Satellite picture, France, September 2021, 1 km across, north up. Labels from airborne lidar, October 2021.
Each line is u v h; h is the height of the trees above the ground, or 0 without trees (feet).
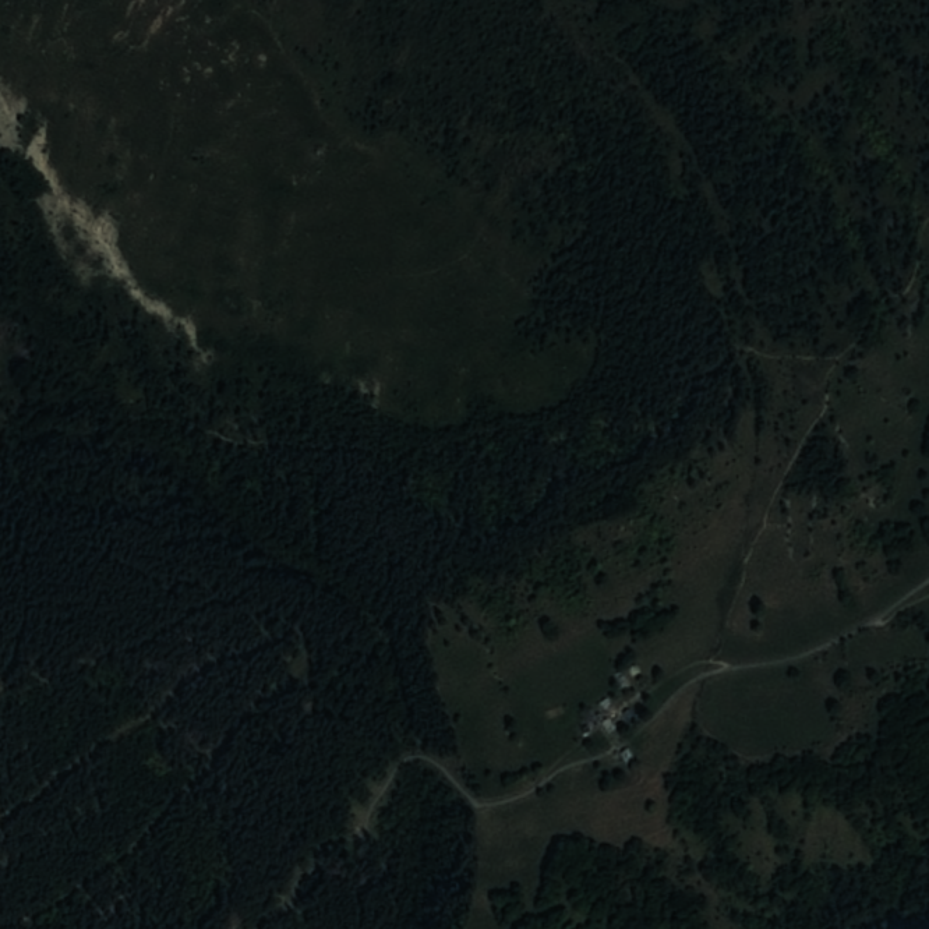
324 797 70
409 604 74
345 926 98
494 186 19
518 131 44
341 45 0
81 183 0
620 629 37
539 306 32
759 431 45
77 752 64
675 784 27
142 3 0
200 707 90
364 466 64
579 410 35
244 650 62
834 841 0
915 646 0
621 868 40
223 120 0
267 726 47
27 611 61
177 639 77
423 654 55
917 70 49
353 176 0
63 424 56
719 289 0
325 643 79
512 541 98
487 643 31
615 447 34
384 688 68
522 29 21
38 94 0
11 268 40
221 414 33
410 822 20
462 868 71
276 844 103
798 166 19
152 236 0
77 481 53
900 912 20
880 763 67
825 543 0
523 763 0
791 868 25
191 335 0
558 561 33
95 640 75
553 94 31
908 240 56
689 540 0
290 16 0
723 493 29
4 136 0
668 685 0
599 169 44
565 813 0
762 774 46
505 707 0
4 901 58
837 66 22
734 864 47
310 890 50
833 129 56
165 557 75
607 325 59
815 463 29
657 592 41
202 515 48
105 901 79
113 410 29
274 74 0
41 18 0
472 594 20
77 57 0
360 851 81
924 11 40
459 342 0
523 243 26
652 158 52
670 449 83
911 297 0
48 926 50
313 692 47
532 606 39
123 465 53
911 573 0
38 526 63
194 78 0
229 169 0
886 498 22
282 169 0
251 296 0
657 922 52
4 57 0
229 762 92
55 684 64
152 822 29
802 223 43
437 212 0
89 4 0
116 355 0
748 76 25
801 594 0
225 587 87
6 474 60
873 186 44
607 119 39
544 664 0
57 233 0
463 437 48
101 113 0
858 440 0
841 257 36
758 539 0
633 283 48
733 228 23
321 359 0
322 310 0
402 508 70
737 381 53
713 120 36
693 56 51
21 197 23
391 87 35
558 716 0
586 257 50
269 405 40
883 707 36
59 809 47
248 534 25
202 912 59
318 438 58
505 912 39
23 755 44
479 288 0
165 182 0
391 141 0
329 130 0
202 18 0
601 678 0
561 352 0
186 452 28
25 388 51
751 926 66
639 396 49
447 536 93
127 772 28
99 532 52
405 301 0
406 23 25
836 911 44
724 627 0
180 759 79
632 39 40
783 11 50
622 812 0
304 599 77
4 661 62
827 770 36
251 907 81
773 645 0
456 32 29
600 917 70
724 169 45
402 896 45
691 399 62
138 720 39
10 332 20
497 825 0
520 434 60
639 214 54
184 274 0
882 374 0
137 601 77
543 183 29
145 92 0
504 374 0
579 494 64
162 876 75
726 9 30
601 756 0
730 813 25
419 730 62
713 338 41
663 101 33
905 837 30
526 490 55
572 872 72
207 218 0
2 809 55
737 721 0
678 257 51
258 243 0
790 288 41
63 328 30
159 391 36
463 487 40
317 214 0
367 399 25
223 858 64
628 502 54
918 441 0
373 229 0
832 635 0
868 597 0
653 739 0
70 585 85
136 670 78
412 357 0
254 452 23
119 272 0
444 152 31
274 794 94
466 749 0
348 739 76
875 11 28
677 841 31
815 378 0
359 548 80
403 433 33
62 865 47
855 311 43
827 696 0
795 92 42
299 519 75
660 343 62
